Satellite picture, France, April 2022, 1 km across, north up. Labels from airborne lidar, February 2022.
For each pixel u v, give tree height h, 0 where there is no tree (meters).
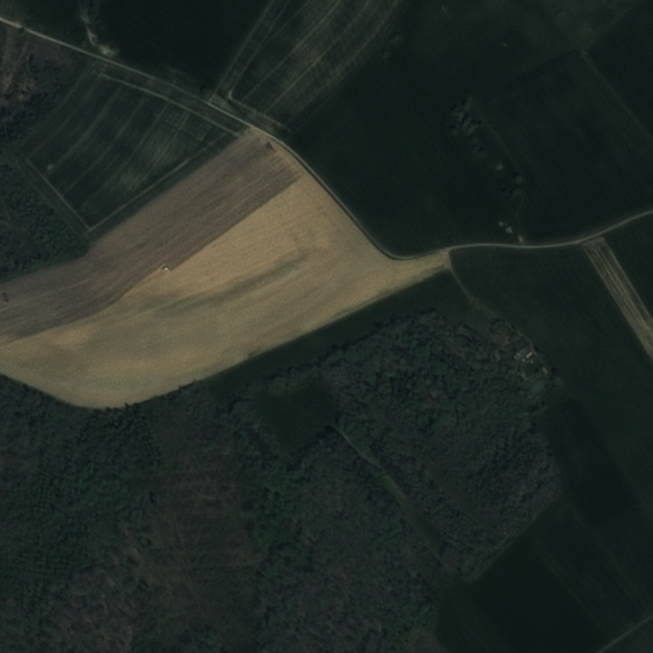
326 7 0
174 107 0
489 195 0
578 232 0
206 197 0
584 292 0
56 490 10
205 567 0
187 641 0
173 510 0
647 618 0
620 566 0
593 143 0
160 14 0
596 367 0
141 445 21
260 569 0
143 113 0
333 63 0
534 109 0
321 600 26
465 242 0
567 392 0
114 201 0
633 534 0
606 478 0
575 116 0
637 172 0
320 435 0
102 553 14
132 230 0
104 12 0
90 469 21
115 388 0
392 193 0
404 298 0
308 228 0
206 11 0
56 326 0
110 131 0
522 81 0
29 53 0
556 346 0
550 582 0
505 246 0
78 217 0
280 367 0
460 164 0
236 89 0
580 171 0
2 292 0
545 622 0
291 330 0
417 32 0
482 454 12
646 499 0
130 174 0
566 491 0
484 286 0
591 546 0
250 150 0
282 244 0
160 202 0
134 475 29
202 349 0
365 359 19
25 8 0
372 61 0
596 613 0
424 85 0
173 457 0
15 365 0
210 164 0
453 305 0
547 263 0
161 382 0
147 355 0
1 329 0
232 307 0
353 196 0
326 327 0
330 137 0
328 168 0
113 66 0
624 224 0
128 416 6
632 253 0
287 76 0
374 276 0
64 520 8
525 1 0
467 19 0
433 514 17
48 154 0
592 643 0
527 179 0
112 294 0
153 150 0
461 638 0
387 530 24
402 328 22
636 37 0
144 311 0
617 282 0
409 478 19
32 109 16
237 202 0
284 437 0
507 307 0
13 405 16
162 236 0
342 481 27
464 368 17
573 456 0
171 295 0
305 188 0
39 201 12
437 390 22
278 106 0
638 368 0
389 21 0
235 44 0
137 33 0
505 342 0
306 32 0
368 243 0
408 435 16
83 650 28
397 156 0
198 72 0
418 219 0
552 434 0
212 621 0
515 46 0
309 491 28
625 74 0
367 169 0
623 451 0
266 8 0
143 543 22
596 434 0
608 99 0
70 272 0
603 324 0
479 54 0
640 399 0
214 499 0
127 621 28
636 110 0
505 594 0
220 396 0
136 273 0
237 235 0
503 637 0
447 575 15
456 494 0
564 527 0
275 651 28
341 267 0
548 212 0
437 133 0
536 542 0
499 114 0
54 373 0
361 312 0
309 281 0
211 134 0
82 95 0
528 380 0
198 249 0
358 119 0
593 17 0
